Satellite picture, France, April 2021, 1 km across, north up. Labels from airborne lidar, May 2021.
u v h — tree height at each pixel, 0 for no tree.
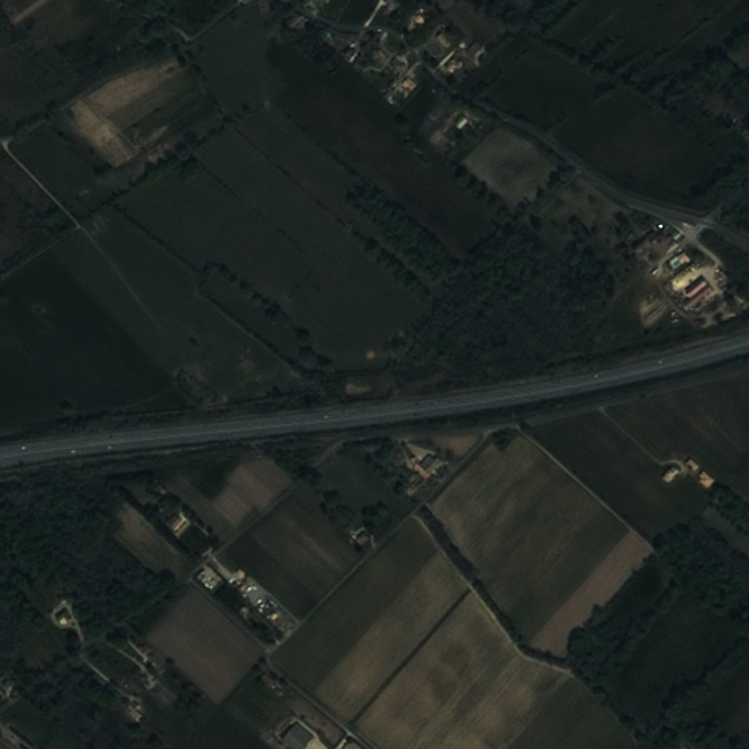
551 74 0
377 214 16
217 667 0
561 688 0
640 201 0
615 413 0
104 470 12
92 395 0
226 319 0
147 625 0
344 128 0
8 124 0
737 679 0
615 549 0
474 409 0
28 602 19
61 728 9
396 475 7
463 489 0
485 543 0
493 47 13
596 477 0
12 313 0
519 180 0
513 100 0
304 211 0
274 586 0
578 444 0
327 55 10
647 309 0
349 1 0
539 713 0
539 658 9
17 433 0
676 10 0
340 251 0
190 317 0
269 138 0
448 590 0
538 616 0
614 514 0
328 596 0
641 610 0
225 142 0
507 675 0
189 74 0
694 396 0
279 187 0
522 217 17
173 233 0
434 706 0
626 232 11
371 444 12
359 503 0
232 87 0
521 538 0
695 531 9
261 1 0
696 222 0
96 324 0
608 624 9
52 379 0
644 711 0
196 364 0
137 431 0
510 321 10
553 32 16
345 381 0
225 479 0
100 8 0
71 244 0
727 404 0
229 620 0
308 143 0
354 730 0
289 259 0
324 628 0
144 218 0
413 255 23
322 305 0
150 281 0
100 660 14
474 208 0
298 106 0
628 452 0
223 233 0
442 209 0
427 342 11
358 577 0
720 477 0
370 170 0
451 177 0
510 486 0
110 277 0
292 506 0
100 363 0
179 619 0
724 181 18
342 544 0
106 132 0
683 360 0
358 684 0
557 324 18
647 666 0
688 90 24
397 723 0
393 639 0
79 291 0
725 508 13
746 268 9
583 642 18
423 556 0
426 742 0
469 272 11
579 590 0
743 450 0
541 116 0
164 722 0
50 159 0
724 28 0
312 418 0
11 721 0
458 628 0
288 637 0
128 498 15
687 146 0
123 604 15
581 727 0
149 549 0
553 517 0
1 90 0
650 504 0
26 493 21
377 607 0
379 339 0
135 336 0
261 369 0
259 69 0
